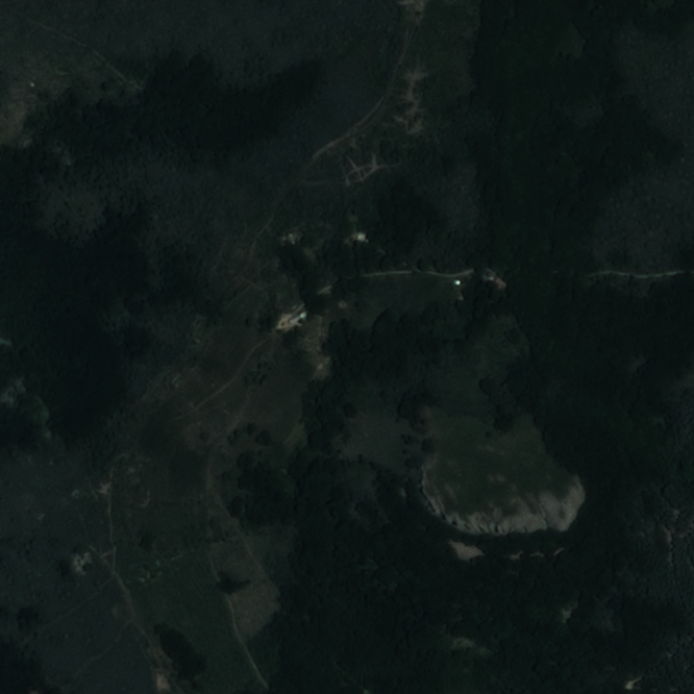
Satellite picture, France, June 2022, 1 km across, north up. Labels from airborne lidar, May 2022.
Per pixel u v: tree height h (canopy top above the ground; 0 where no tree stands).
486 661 7
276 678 10
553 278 10
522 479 0
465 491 0
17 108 0
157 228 6
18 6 0
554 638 24
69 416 16
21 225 15
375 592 18
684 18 9
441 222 10
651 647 20
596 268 6
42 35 0
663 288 16
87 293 15
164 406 0
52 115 9
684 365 13
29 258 24
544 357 18
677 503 21
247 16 0
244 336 0
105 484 0
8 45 0
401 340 20
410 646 14
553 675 16
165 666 0
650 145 15
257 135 12
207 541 7
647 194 0
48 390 14
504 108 16
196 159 6
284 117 10
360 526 11
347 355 15
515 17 7
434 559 24
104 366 15
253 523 12
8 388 7
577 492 0
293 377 0
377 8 0
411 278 0
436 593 16
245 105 19
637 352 18
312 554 25
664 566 18
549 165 18
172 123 13
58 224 7
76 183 8
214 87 8
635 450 24
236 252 0
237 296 6
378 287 0
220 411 0
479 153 15
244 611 0
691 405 10
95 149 12
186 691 0
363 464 13
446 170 10
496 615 12
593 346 13
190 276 10
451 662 7
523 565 17
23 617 14
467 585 15
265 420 0
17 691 18
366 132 0
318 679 19
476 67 13
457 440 0
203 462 0
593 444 17
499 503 0
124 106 7
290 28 0
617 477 21
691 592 21
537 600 14
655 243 0
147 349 10
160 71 11
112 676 0
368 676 12
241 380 0
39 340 14
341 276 9
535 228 16
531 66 15
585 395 17
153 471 0
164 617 0
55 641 7
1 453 7
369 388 0
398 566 20
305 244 15
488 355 0
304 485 23
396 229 16
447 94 0
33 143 10
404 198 15
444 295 0
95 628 0
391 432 0
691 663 20
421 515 18
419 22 0
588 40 11
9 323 17
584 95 11
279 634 12
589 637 13
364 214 6
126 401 7
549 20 16
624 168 11
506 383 11
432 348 19
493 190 17
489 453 0
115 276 16
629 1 15
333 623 17
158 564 0
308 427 10
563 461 14
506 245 11
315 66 9
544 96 15
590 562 24
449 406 0
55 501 0
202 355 0
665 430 20
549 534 17
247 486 12
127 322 6
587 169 15
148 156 8
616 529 20
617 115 17
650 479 14
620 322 19
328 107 0
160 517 0
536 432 0
